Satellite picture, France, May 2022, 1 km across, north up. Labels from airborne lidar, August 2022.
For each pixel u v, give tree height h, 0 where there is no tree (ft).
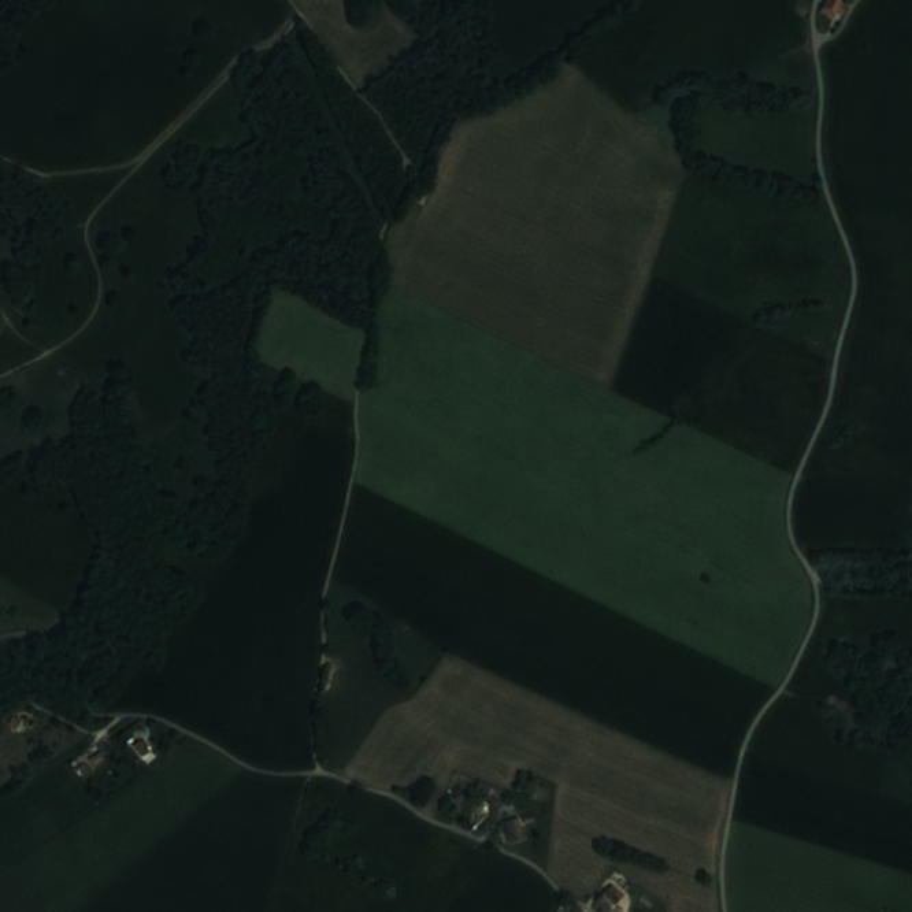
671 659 0
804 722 0
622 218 0
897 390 0
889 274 0
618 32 0
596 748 0
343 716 0
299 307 0
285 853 0
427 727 0
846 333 0
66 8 0
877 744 35
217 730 0
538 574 0
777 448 0
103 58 0
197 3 0
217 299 53
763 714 0
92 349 0
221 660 0
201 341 60
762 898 0
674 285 0
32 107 0
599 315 0
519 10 0
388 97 32
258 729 0
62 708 61
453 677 0
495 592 0
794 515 0
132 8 0
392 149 31
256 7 0
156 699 0
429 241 0
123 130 0
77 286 0
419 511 0
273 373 0
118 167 0
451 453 0
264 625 0
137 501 83
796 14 0
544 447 0
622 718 0
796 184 52
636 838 0
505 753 0
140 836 0
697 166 59
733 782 0
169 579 73
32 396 0
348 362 0
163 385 0
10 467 43
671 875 0
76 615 69
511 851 0
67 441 39
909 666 79
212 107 0
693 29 0
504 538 0
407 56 68
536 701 0
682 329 0
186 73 43
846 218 0
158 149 0
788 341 0
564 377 0
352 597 0
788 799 0
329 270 79
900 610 0
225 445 46
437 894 0
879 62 0
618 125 0
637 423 0
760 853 0
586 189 0
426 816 0
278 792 0
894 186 0
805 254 0
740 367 0
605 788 0
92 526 47
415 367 0
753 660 0
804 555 0
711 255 0
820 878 0
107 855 0
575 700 0
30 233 71
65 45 0
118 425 57
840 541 0
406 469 0
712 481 0
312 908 0
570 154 0
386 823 0
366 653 0
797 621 0
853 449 0
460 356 0
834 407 0
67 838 0
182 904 0
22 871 0
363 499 0
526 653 0
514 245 0
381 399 0
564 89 0
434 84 49
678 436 0
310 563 0
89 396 45
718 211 0
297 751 0
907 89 0
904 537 0
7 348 0
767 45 0
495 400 0
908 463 0
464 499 0
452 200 0
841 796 0
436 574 0
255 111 54
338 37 0
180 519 51
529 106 0
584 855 0
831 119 0
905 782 0
